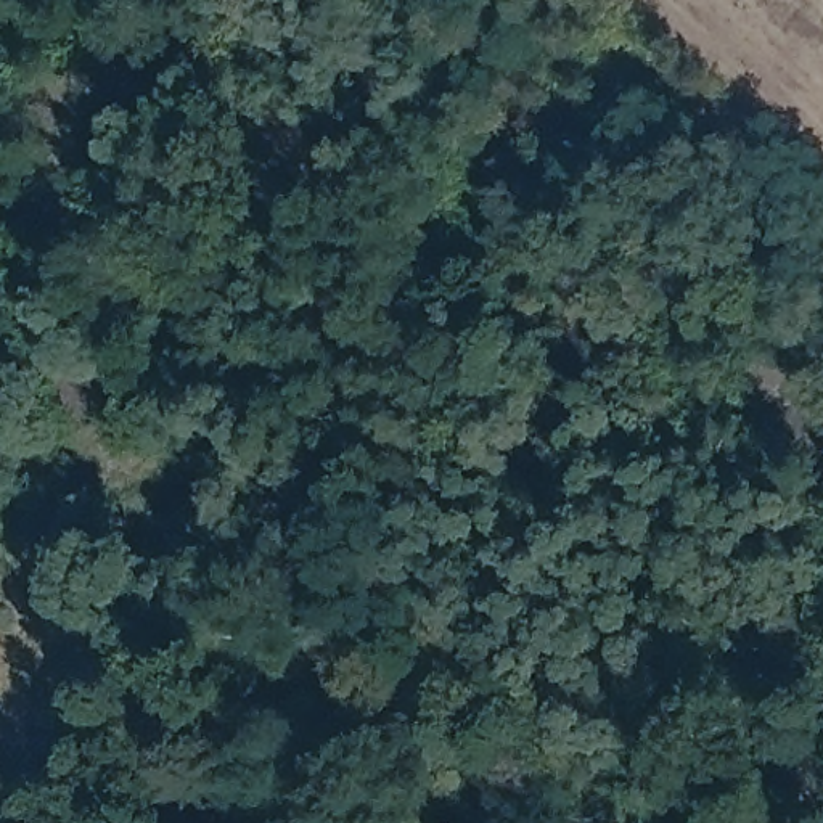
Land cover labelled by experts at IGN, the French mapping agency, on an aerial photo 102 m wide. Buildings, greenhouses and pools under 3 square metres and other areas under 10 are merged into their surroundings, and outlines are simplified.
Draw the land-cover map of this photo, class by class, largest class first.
<instances>
[{"label":"deciduous trees","instance_id":"1","mask_svg":"<svg viewBox=\"0 0 823 823\"><path fill-rule=\"evenodd\" d=\"M174 39L186 42L180 48V61L158 74L151 93L135 100V109H103L93 116L87 145L90 154L74 174L61 167L51 145L23 141V122L6 116L16 96L35 90H48L61 100L64 77L58 74V68H64L68 58H84L87 51H93L96 58L109 61L119 55L129 68H141L145 61L161 55ZM608 51H627L646 61L669 87L682 90L685 96L723 100L733 80L723 77L714 64H707L694 45H688L672 29L659 39H646L633 13V0H0V209L13 206L26 193L35 167L42 164L55 180L51 186L58 190L61 206H68L71 212H84L90 222L87 231H71L51 251L19 244L0 222V257H16L42 276V289L16 286L6 299V267H0V534H3V508L29 489L26 460H51L58 447H68L64 437L80 421V415H64L58 408V389L68 383L103 386L106 405L93 418V424L100 440L113 453H135L138 437L158 434L180 463L199 473V479L193 482L196 518L206 530L219 537H231L238 527L248 524L244 505H235L238 489L260 492L264 485H283L289 479L293 453L299 447H318L321 434L331 431V424L344 421L363 431L354 440L357 447L321 463V479L309 485L305 505L293 511L289 524H270L257 537L248 563L209 566L196 559V547H183L177 556H135L122 537L87 540L80 530H68L58 537L55 547L35 550V569L29 579V601L35 614L68 633L90 637V646L100 653L103 675L93 685H58L51 704L64 720L61 739L51 746L48 768L39 775V781L16 791L6 800L0 820V823H158L164 804L228 810L260 807L264 800L289 804V820L273 823H421V807L428 804V797H453L469 781L479 788L485 823H768V804L762 794V772L768 762L791 765L804 778V784L820 797V810L800 817L797 823H823V633L807 637L797 627V620L813 614V585L823 579V498L800 502V492L813 485L810 457H788L784 466L752 469L746 453L736 447V428L743 421V399L752 392L749 373H759L772 363L784 373V386L778 392L794 395L804 405L800 421L823 434V145L817 141L813 148H804L797 141H784L775 129V116H752L746 129L759 135V148H743L720 135L691 141V116H682L672 106L665 109L659 96H649L646 90L633 87L617 96V106L592 125V132L550 141L537 138L534 132L518 135V154L527 164L508 183L473 186L466 177L469 161L485 148L492 132L502 129L508 106L543 109L553 100H588L592 71ZM363 68L376 74L366 113L376 116L386 129L376 135H370L366 129H354L341 141H321L312 151V158L299 164L296 186L273 199L270 231H251L244 225L251 183L241 148L244 135L264 122L296 125L302 106H331L334 90L350 87V74ZM431 219L460 228L463 238L457 241L460 254L440 264L428 289H418L412 276V260L418 254V244L424 241L421 225ZM395 289L405 293L412 302H421L431 315L428 331L415 344L402 341L399 325L389 318V302ZM466 296H485L479 309V328L450 334L444 325L447 305ZM103 299H141V315L113 325L109 338L100 347H90L84 344V334L90 331ZM309 302L321 309L325 325L312 331H289V315ZM158 328L174 331L180 341H190L186 350H177V363L190 366L209 363L215 357H228L235 366L257 363L267 370V386L254 389L251 399H241L231 408L222 399V389L199 386L190 389L180 405L170 402L167 412H158V402L138 386V376L148 370V347ZM556 338H566L582 350L585 370L575 383L566 373L550 370L547 363V347ZM540 392L547 399H559L569 415V421H563L547 437H540L527 424L534 399ZM524 440L537 450L543 463H550V476L563 485L566 495L559 508L534 505L527 498H518L511 489H502L508 450ZM485 566L495 569L498 579H505V592L489 595L482 601H466L469 579H476ZM122 595L161 598L174 617L186 620L190 637L170 640L154 656L125 653L119 627L109 617V604ZM746 624H755L762 633H794L800 646L797 656L804 665V675L794 685L775 688L765 675H752L746 665L717 675L710 669H701L691 691L672 685V698H662V704L643 720L637 736L620 739L617 727L601 720L598 678L611 669L630 672L646 640L659 637L662 630H691L694 643H717L720 649H730L733 633ZM299 653L312 659L318 685L344 707L379 710L405 675L421 682V694L415 723L392 720L341 733L328 739L318 752H305L296 759V765L305 772L302 788L280 791L273 784L276 752L289 736V723L283 717H276L273 710H251L248 723L235 733V739L215 746L203 739L199 714L215 707L219 688L228 678H238L244 672V662L257 665L267 678H283L286 665ZM125 691L141 698L145 710L161 717L164 723L161 743H154L151 749H138L125 733Z\"/></svg>","mask_w":823,"mask_h":823},{"label":"herbaceous vegetation","instance_id":"2","mask_svg":"<svg viewBox=\"0 0 823 823\"><path fill-rule=\"evenodd\" d=\"M186 42L174 39L161 55L145 61L141 68H129L119 55L109 61L96 58L93 51H87L84 58H68L64 68H58V74L64 77L61 100L48 90H35L16 96L6 116L23 122V141L51 145L61 167L74 174L90 154L87 145L93 116L103 109H135V100L151 93L158 74L180 61V48ZM633 87L646 90L649 96H659L665 109L672 106L682 116H691V141L720 135L743 148H759V135L746 129L752 116L743 106L730 109L723 100L685 96L682 90L669 87L646 61L627 51H608L592 71L588 100H553L543 109L508 106L502 129L492 132L485 148L469 161L466 177L473 186L508 183L527 164L518 154V135L534 132L537 138L550 141L592 132V125L617 106V96ZM376 74L363 68L350 74V87L334 90L331 106H302L296 125L264 122L244 135L241 148L251 183L244 225L251 231H270L273 199L296 186L299 164L312 158V151L321 141H341L354 129H366L370 135H376L386 129L376 116L366 113ZM55 180L42 164L35 167L26 193L13 206L0 209V222L19 244L51 251L71 231H87L90 222L84 212H71L68 206H61L58 190L51 186ZM424 241L418 244V254L412 260V276L418 289H428L440 264L460 254L457 241L463 238L460 228L431 219L421 225ZM0 267H6V299L16 286L42 289V276L16 257H0ZM389 318L399 325L402 341L415 344L428 331L431 315L421 302H412L405 293L395 289L389 302ZM485 296H466L447 305L444 325L450 334L479 328V309ZM141 315V299H103L90 331L84 334V344L90 347H100L109 338L113 325ZM325 325L321 309L309 302L289 315V331H312ZM190 341H180L174 331L158 328L148 347V370L138 376V386L158 402V412H167L170 402L180 405L190 389L199 386L222 389V399L231 408L241 399H251L254 389L267 386V370L257 363L235 366L228 357H215L209 363L190 366L177 363V350H186ZM547 363L550 370L566 373L575 383L585 370L582 350L566 338H556L547 347ZM784 386V373L772 363L759 373H749L752 392L743 399V421L736 428V447L746 453L752 469L784 466L788 457H810L813 485L800 492V502L823 498V434L800 421L804 405L794 395L778 392ZM58 408L64 415H80V421L64 437L68 447H58L51 460H26L29 489L3 508V547L16 556V569L3 575V595L16 604L23 630L16 637H6L0 646V820L6 800L16 791L39 781V775L48 768L51 746L61 739L64 720L51 704L58 685H93L103 675L100 653L90 646V637L68 633L35 614L29 601V579L35 569V550L55 547L58 537L68 530H80L87 540L122 537L135 556H177L183 547H196V559L209 566L248 563L257 537L270 524H289L293 511L305 505L309 485L321 479V463L357 447L354 440L363 431L344 421L331 424V431L321 434L318 447H299L293 453L289 479L283 485H264L260 492L238 489L235 505H244L248 524L238 527L231 537H219L206 530L196 518L193 482L199 479V473L180 463L158 434L138 437L135 453H113L100 440L93 424V418L106 405L103 386L68 383L58 389ZM563 421H569V415L559 399H547L540 392L534 399L527 424L540 437H547ZM502 489H511L518 498H527L534 505L559 508L566 495L563 485L550 476V463H543L537 450L524 440L508 450ZM505 592V579H498L495 569L485 566L476 579H469L466 601H482L489 595ZM797 627L807 637L823 633V579L813 585V614L797 620ZM109 617L119 627L125 653L154 656L170 640L190 637L186 620L174 617L161 598L122 595L109 604ZM730 649H720L717 643H694L691 630H662L659 637L646 640L630 672L611 669L598 678L601 720L617 727L620 739L637 736L643 720L662 704V698H672V685L691 691L701 669H710L717 675L746 665L752 675H765L775 688L794 685L804 675V665L797 656L800 646L794 633H762L755 624H746L733 633ZM244 672L238 678H228L219 688L215 707L199 714L203 739L215 746L235 739V733L248 723L251 710H273L276 717H283L289 723V736L276 752L273 784L280 791L302 788L305 772L296 765V759L305 752H318L328 739L341 733L392 720L415 723L421 694V682L405 675L379 710L344 707L318 685L312 659L299 653L286 665L283 678H267L257 665L244 662ZM125 733L138 749H151L154 743H161L164 723L161 717L145 710L141 698L125 691ZM762 794L768 804V823H797L800 817L820 810V797L804 784V778L791 765L768 762L762 772ZM421 823H485L479 788L469 781L453 797H428V804L421 807ZM289 820V804L264 800L260 807L228 810L164 804L158 823H273Z\"/></svg>","mask_w":823,"mask_h":823},{"label":"plowed land","instance_id":"3","mask_svg":"<svg viewBox=\"0 0 823 823\"><path fill-rule=\"evenodd\" d=\"M633 13L646 39H659L672 29L688 45H694L707 64H714L723 77L733 80L723 100L730 109L743 106L752 116H775V129L784 141H797L804 148H813L817 141L823 145V0H633Z\"/></svg>","mask_w":823,"mask_h":823},{"label":"brushwood","instance_id":"4","mask_svg":"<svg viewBox=\"0 0 823 823\"><path fill-rule=\"evenodd\" d=\"M16 569V556L3 547V534H0V646L6 637H16L23 630L16 604L3 595V575Z\"/></svg>","mask_w":823,"mask_h":823}]
</instances>
